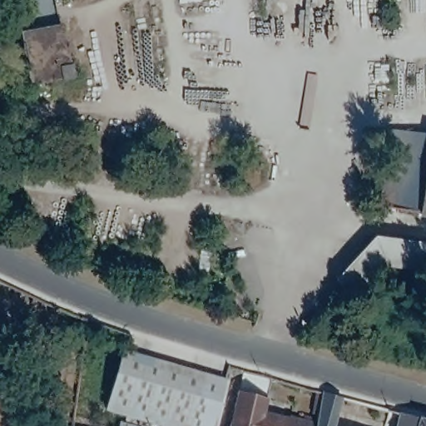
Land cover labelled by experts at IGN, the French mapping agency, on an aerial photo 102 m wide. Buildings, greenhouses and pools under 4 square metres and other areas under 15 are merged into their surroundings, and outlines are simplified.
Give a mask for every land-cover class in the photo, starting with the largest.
<instances>
[{"label":"pervious surface","instance_id":"1","mask_svg":"<svg viewBox=\"0 0 426 426\"><path fill-rule=\"evenodd\" d=\"M133 3L138 20L145 18V3H153L155 0H105L95 5L80 7L75 13L78 25L83 30L82 48L90 53L93 77L97 80L98 88H93V92H87L82 102L68 105L65 100H57L55 103L57 111L70 113L75 108L78 113H87L88 118H92L93 115H103L131 121L141 115V110L150 108L165 123L175 128L176 138L183 140H208L218 131L223 135L243 136L245 140L253 135L260 141V151L265 155V160L273 163L271 180L263 190L246 196L228 195L205 196L201 195L200 191H188L185 195L175 198H141L135 193L116 190L115 183L108 176L97 183H73L67 188L47 181L43 186H25L23 190L27 191L28 195L32 191H47L72 198L77 193L85 191L95 206L98 203H106L108 208H113L115 203H130L140 205L146 213L155 211L156 215L160 216L165 210H186L191 215L196 206H208L210 213L221 216L226 226L225 246L238 251L236 266V270L240 271L241 278L245 281V290L248 291L250 298L255 310L258 311L256 321L245 336L290 344L296 351H300L301 346L296 338L303 334L301 326H305L306 321H316L328 308L331 296L319 288L326 273L333 276L338 283H343L349 273L348 266L376 236L401 238L404 243L408 240L424 241L426 245V218L414 221L413 216L394 208L386 215V223L373 225H363V216L354 213L361 201H369V198L363 196L364 178L361 176L364 165L361 156L368 153L366 143L379 133L393 131L426 133V0H396L401 25L398 30L388 32L379 27V18H383V8L378 7V0H278L276 5L281 10V15H271V22L266 23L255 20V12L250 7L251 0H160L165 17L168 42L166 57L170 65V75L165 77L166 92H158L156 88L140 85L135 53L131 48L130 23L125 10L121 8L123 3ZM383 57L396 58L398 92L396 106H388L376 113L371 97L366 95L376 90L386 92L388 88V65H383L378 60ZM246 381L243 378L235 376L231 381L221 426H231L238 391L241 384Z\"/></svg>","mask_w":426,"mask_h":426},{"label":"deciduous trees","instance_id":"2","mask_svg":"<svg viewBox=\"0 0 426 426\"><path fill-rule=\"evenodd\" d=\"M38 17H45L38 10V0H0V248L15 251L18 248L35 246L38 255H42L47 265L50 266L52 275L60 276L62 273L92 270L93 275L100 276V280L111 291L110 295L120 305L150 310L151 306L158 305L160 301L176 300L205 310L206 315L215 319L216 323H221L226 318H238L241 313H250V321H256L258 311L255 310L250 298H243L241 303L236 305L235 295H231L226 288L225 280L218 278L211 270L206 271L205 276L198 281H186L183 286H176V271L166 270L165 265L158 260L161 236L166 230L160 216L156 215L150 221H143L141 238L136 236L135 241L123 243L121 248H118L111 240L97 243L88 240L82 225L97 220L95 206L85 191L77 193L72 198L70 203L75 206L72 215L73 226L62 233L60 228H47V216L40 215L35 210V205L28 195L27 191L23 190L25 186H43L47 181L67 188L73 183H92L93 176L103 171V160L102 136L98 135L97 131L98 120L92 118H88L82 120L80 135H73L63 126L45 128L35 116L28 118V108L37 102L38 98H42L40 88L30 78V52L22 38L25 30V27L32 25ZM378 7L383 8V18H379V27L388 32L398 30L401 25L396 0H378ZM183 140L176 138L175 128L165 123L160 128L150 131L140 143L131 146L130 153L121 158L123 170L115 171L108 176L115 183L116 190L135 193L141 198H175L185 195L188 191L193 161L190 153L183 151ZM208 158L218 166L215 170L216 175L220 176L221 186L228 191V195L246 196L263 190L271 180L273 163L265 160V155L260 151V141L253 135L245 140L243 136L223 135L218 131L208 140ZM368 153L361 156L364 165L361 176L364 178L363 196L369 198V201H361L354 213L363 216V225H373L386 223V215L394 208V201H389L383 195L384 183L391 186L406 185L419 160L411 155L409 145H403L394 136L393 131L379 133L366 143ZM226 226L221 216L215 223L201 221L200 233L193 235L190 231L186 236V245L193 250L218 255V265L225 273L236 266L238 251L225 246ZM399 268H393L388 263L383 270L376 273L373 288H369L363 298L344 301L338 308H328L316 321H306L305 326H301L303 334L296 338L301 346L331 349L336 358L346 364L354 361H364L366 364L369 361H384L398 364L403 368L426 369V273H416L413 280L406 285L398 281ZM87 339L88 349L93 351V346L100 348L102 344L115 339L113 353L121 358L138 353L140 346L133 343V338L128 333L111 331L108 334L103 328L95 331L88 326H70L65 331L62 328H43V324L38 323L37 319L22 315L10 319V323L2 326L0 331V426H77V423H73V411L77 396H72L73 386H68L67 381H62V368H77V353H83L78 339ZM125 416L108 411L100 409L95 419H88V424L93 426H120Z\"/></svg>","mask_w":426,"mask_h":426},{"label":"herbaceous vegetation","instance_id":"3","mask_svg":"<svg viewBox=\"0 0 426 426\"><path fill-rule=\"evenodd\" d=\"M105 0H57L60 22L65 25L70 47L77 57L70 58L72 68L77 73L72 77L62 78L55 85L40 88L42 98H38L37 102L28 108V118L35 116L45 128L63 126L73 135H80L82 120L88 118L87 113H78L75 108L70 113L57 111L55 103L57 100H65L68 105L82 102L87 92H93V88H98L97 80L93 77L90 53L82 48L83 30L78 25L75 13L80 7L95 5ZM121 8L125 10L130 23L131 48L135 53L140 85L156 88L158 92H166L165 77L170 75V65L166 57L168 42L165 17L160 0H155L153 3H145V18L138 20L133 3H123ZM278 0H251L250 7L255 12V20L266 23L271 22V15H281V10L276 5ZM378 60L383 65H388V88L386 92L376 90L366 95L371 97L376 113L388 106H396L398 92L396 58L383 57ZM92 118L98 120L97 131L98 135L102 136L103 160V171L93 176L92 183H97L108 176L115 171L123 170L121 158L130 153L131 146L140 143L150 131L160 128L165 123L150 108L141 110V115L131 121L103 115H93ZM183 151L190 153L193 161L188 191H200L201 195L205 196L228 195V191L221 186L220 176L216 175L215 170L218 166L208 158V140H183ZM35 205V210L40 215L47 216V228H60L62 233L73 226L72 215L75 206L70 203L72 198L47 191H32L28 195ZM97 220L82 225L88 240L97 243L111 240L118 248H121L123 243L135 241L136 236L141 238L143 221H150L156 215L155 211L146 213L140 205L130 203H115L113 208H108L106 203H98L95 206ZM160 216L166 230L161 236L158 260L165 265L166 270L176 271V286H183L186 281H198L205 276L206 271L211 270L218 278L225 280L226 288L231 295H235L236 305L241 303L243 298H250L248 291L245 290V281L241 278L240 271L236 270V266L225 273L218 265V255L193 250L186 245V236L190 231L193 235L200 233L201 221L215 223L221 216L210 213L208 206H196L191 215L186 210H165ZM18 255L27 256L35 261L37 265H47L42 255H38L35 246L18 248L15 251ZM60 276L82 281L110 295L111 291L100 280V276L93 275L92 270L62 273ZM22 315L37 319L38 323L43 324V328H62L65 331L70 326H88L95 331L103 328L108 334L111 331L128 333L125 329L102 323L92 316L77 315L57 305L45 306L40 301L27 305L20 296V291L0 286V331L2 326L10 323V319ZM150 310L221 329L225 333L245 336L256 321H250V313H241L238 318H226L221 323H216L215 319L206 315L205 310L176 300L160 301L158 305L151 306ZM83 353H77V368H62V381H67L68 386H73L72 396H77L73 411V423H77V426H93L88 424V419H95L100 409L108 411V401L120 369L121 358L113 353L115 339L102 344L100 348L93 346V351L88 349L87 339H78ZM300 351L316 358L328 359L353 371H378L389 378H398L426 388V369L403 368L398 364L384 361H369L366 364L364 361H354L346 364L336 358L331 349L301 346ZM250 373L270 379V388L266 389V393L271 406L308 413L311 394H319V388L278 378L265 371L241 368L236 364H230L225 376L231 381L235 376L243 378V374Z\"/></svg>","mask_w":426,"mask_h":426},{"label":"building","instance_id":"4","mask_svg":"<svg viewBox=\"0 0 426 426\"><path fill-rule=\"evenodd\" d=\"M22 38L30 52V78L40 88L55 85L62 78L72 77L77 73L72 68L70 58L77 57L70 47L65 25L60 22L50 27L25 30ZM394 136L403 145H409L411 155L419 160L406 185L391 186L384 183L383 195L389 201H394V208L413 216L414 221L426 218V133L393 131ZM388 263L393 268H399L398 281L406 285L413 280L416 273H426V245L424 241L408 240L404 243L401 238L376 236L348 266L349 273L343 283H338L333 276L326 273L319 288L331 296L328 308H338L344 301L363 298L369 288H373L376 273L383 270ZM231 381L225 376L221 378L215 374L201 373L196 369L138 353L121 358L120 369L108 401V411L125 416L120 426H221ZM255 384L246 381L241 384L238 391L231 426H338L341 419L339 409L341 406H348V401H344L343 394L336 393V396H333L319 388V394H311L308 413L271 406L266 393L265 396H258ZM393 416L398 418L396 426H426V416L393 411Z\"/></svg>","mask_w":426,"mask_h":426},{"label":"impervious surface","instance_id":"5","mask_svg":"<svg viewBox=\"0 0 426 426\"><path fill-rule=\"evenodd\" d=\"M38 10L45 17H38L32 25L25 27V30L50 27L60 22L57 0H38ZM0 286L20 291V296L27 305L40 301L45 306L57 305L77 315L92 316L102 323L125 329L128 333L133 338V343L140 346L138 353L196 369L201 373L215 374L221 378L225 376L230 364H236L241 368L265 371L278 378L319 388L333 396H336V393L343 394L344 401H348V406H341L339 409L341 419L338 426H396L398 418L393 416V411L426 416V388L398 378H389L378 371H353L328 359L316 358L300 351H296L290 344L245 336L225 333L221 329L150 310L120 305L110 295L82 281L60 276L52 275L50 266L47 265H37L35 261L27 256L18 255L15 251L0 248ZM246 381L255 384L258 396H265L266 393V389L270 388V379L250 373L243 374V378Z\"/></svg>","mask_w":426,"mask_h":426}]
</instances>
